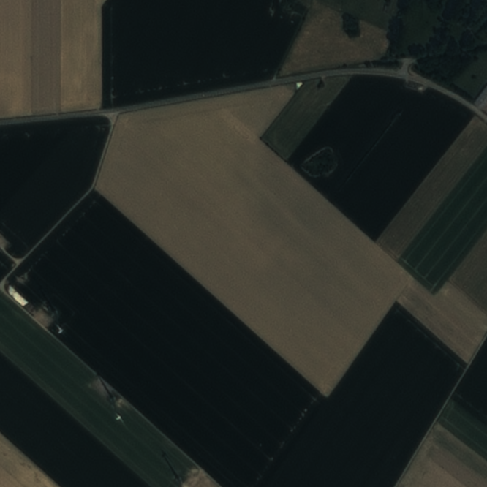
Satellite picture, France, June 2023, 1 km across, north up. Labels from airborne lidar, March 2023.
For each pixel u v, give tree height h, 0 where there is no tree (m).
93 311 0
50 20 0
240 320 0
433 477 0
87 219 0
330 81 0
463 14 12
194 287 0
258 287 0
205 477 0
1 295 0
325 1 0
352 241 0
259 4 0
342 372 0
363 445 0
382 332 0
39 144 0
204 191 0
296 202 0
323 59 0
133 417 0
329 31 0
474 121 0
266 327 0
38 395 0
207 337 0
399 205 0
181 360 0
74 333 0
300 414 0
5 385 0
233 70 0
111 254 0
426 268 0
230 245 0
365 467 0
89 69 0
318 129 0
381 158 0
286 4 6
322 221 0
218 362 0
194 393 0
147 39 0
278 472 0
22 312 0
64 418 0
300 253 0
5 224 0
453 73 22
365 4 0
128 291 0
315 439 0
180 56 0
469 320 0
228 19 0
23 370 0
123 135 0
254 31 0
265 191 0
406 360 0
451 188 0
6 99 0
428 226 0
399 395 0
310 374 0
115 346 0
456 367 0
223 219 0
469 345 0
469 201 0
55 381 0
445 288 0
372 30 0
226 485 0
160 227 0
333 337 0
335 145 0
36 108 0
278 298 0
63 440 0
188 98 0
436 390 0
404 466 0
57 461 0
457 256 0
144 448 0
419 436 0
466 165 0
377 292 0
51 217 0
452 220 0
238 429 0
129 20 0
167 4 0
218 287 0
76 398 0
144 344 0
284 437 0
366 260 0
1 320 0
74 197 0
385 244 0
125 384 0
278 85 0
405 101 0
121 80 0
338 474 0
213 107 0
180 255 0
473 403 0
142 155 0
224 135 0
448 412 0
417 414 0
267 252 0
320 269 0
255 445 0
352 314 0
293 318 0
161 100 0
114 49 0
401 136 0
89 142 0
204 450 0
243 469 0
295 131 0
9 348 0
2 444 0
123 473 0
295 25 0
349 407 0
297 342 0
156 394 0
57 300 0
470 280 0
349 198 0
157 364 0
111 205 0
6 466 0
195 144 0
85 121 0
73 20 0
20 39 0
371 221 0
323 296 0
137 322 0
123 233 0
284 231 0
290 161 0
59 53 0
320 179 0
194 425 0
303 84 0
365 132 0
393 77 0
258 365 0
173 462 0
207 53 0
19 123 0
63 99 0
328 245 0
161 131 0
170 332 0
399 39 30
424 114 0
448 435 0
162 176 0
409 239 0
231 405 0
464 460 0
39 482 0
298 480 0
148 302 0
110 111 0
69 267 0
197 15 0
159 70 0
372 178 0
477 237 0
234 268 0
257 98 0
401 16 7
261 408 0
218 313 0
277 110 0
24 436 0
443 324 0
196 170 0
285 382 0
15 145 0
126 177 0
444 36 27
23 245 0
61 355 0
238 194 0
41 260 0
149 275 0
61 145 0
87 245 0
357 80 0
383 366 0
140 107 0
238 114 0
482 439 0
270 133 0
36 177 0
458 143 0
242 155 0
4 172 0
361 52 0
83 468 0
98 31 0
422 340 0
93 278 0
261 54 0
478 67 0
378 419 0
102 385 0
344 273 0
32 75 0
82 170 0
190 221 0
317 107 0
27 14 0
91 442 0
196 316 0
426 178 0
